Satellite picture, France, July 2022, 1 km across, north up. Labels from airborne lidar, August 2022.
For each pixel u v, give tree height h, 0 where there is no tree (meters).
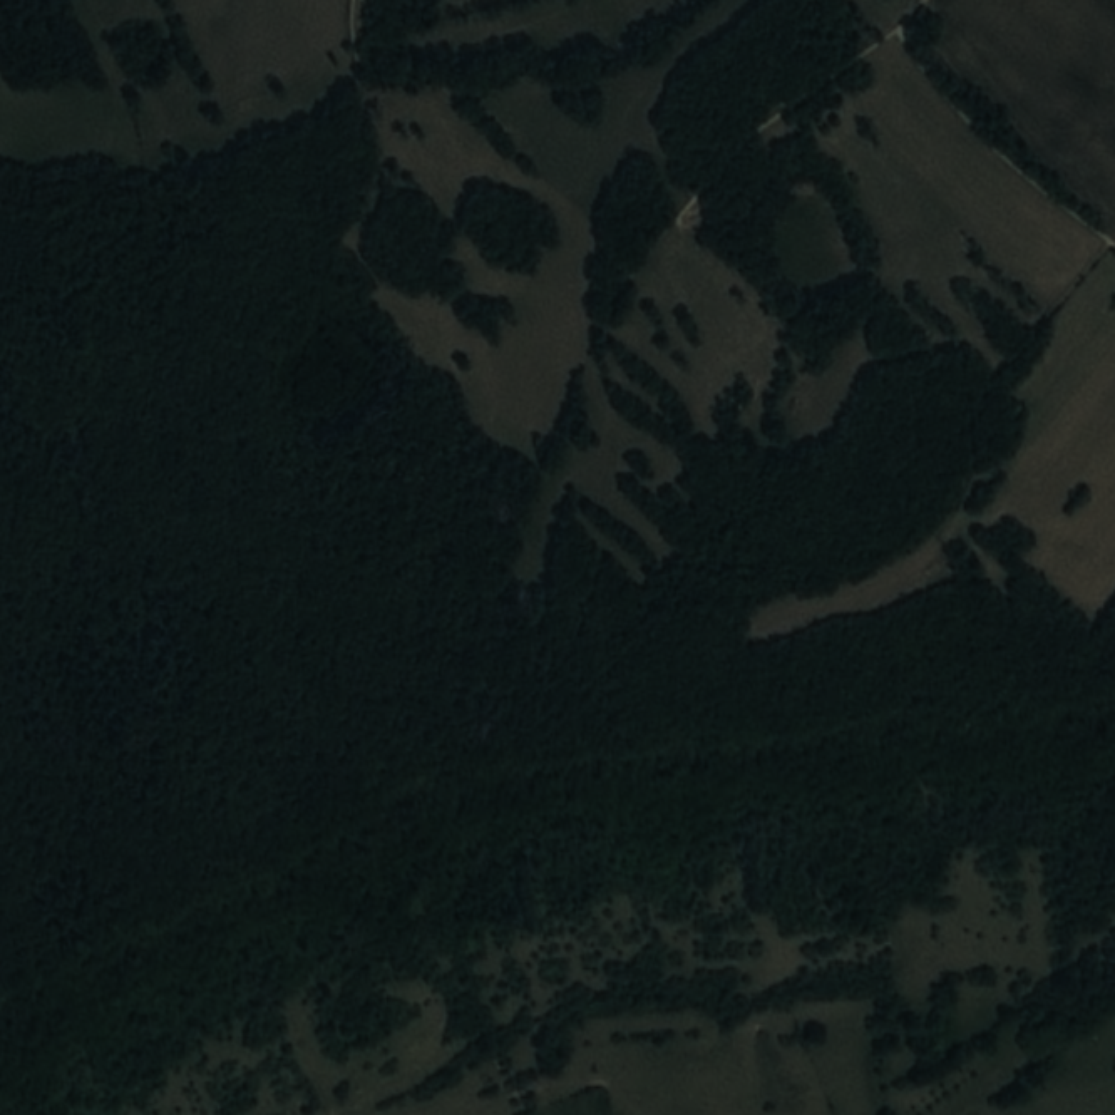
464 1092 0
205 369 15
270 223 17
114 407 14
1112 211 0
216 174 24
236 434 13
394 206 16
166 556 18
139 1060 21
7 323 16
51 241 13
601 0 0
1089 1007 11
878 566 9
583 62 23
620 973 15
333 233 16
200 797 17
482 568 19
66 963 17
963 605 9
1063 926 11
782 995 7
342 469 14
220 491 14
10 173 13
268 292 14
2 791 19
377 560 16
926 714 17
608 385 14
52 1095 12
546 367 0
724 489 15
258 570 14
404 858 16
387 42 21
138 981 22
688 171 15
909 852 9
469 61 23
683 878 11
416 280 17
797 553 10
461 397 22
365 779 18
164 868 16
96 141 0
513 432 0
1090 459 0
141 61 9
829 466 15
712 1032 0
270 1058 7
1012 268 0
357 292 13
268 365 17
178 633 16
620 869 12
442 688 20
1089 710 16
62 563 13
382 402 24
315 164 19
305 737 14
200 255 17
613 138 0
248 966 17
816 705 12
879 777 19
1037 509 0
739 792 8
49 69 16
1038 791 14
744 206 16
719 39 15
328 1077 0
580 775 17
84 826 19
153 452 18
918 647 7
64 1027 20
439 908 8
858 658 13
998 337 13
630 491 15
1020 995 6
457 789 13
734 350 0
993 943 0
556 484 0
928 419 15
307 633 17
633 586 17
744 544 9
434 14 16
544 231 19
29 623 13
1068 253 0
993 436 16
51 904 17
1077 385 0
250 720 14
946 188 0
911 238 0
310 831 15
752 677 15
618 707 14
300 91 0
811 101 13
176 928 14
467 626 19
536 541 0
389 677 20
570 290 0
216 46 0
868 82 9
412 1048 0
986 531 15
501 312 17
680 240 0
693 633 14
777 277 21
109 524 19
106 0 0
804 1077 0
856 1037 0
